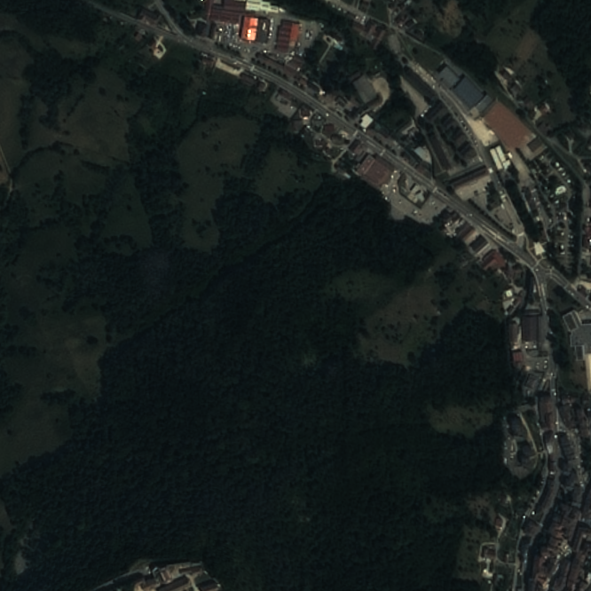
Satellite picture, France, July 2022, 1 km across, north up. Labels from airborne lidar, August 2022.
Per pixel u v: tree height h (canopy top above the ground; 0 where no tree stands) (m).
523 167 0
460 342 21
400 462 6
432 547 25
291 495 6
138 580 0
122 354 27
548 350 0
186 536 17
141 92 23
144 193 14
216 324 24
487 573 0
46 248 0
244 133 0
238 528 24
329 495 19
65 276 11
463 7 12
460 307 0
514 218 0
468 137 0
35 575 17
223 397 27
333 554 20
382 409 16
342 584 21
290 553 26
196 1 11
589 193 0
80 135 0
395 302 0
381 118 10
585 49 25
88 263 20
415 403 20
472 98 0
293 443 25
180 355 23
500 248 0
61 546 8
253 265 22
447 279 11
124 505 21
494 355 31
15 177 16
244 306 25
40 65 15
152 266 17
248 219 27
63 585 27
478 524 16
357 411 15
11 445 0
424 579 32
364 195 15
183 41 0
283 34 0
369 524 24
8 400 18
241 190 7
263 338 26
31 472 19
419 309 0
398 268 21
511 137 0
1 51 0
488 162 0
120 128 0
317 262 18
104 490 19
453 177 0
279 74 8
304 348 25
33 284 0
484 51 17
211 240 0
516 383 11
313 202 8
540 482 7
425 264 18
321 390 24
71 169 0
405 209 0
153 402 29
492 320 13
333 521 21
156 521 24
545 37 17
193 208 0
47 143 0
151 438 25
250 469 25
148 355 21
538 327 0
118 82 0
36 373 0
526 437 0
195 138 0
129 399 28
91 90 0
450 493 12
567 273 22
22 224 6
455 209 0
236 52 8
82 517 19
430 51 0
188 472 16
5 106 0
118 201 31
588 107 13
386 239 10
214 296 22
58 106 14
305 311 22
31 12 16
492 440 27
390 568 24
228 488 25
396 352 0
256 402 28
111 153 0
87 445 24
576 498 0
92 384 0
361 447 20
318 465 30
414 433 18
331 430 29
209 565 17
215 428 20
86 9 23
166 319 10
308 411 27
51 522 15
